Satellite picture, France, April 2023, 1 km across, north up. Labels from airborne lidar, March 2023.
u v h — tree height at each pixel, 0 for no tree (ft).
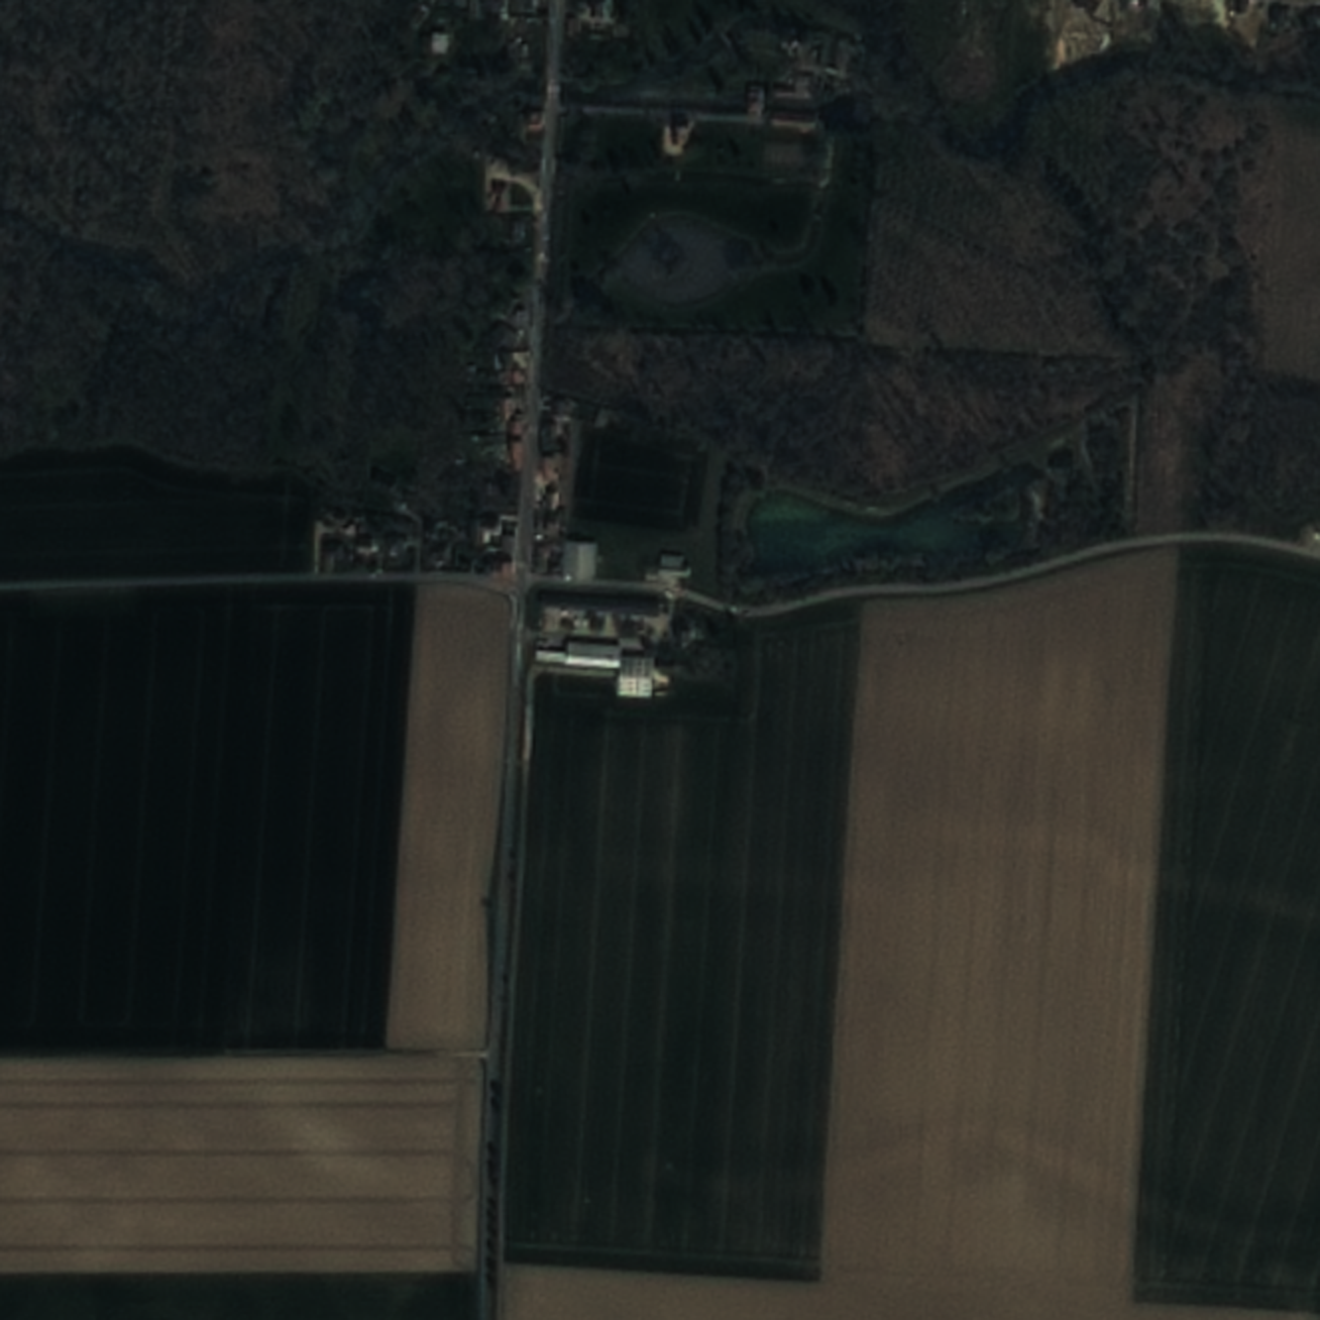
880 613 0
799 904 0
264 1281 0
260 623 0
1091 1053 0
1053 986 0
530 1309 0
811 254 0
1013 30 0
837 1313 0
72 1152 0
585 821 0
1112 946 0
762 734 0
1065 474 0
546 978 0
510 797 0
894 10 78
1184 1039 0
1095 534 22
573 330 19
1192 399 0
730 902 0
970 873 0
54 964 0
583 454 0
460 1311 0
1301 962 0
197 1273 0
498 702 0
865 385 48
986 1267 0
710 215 0
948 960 0
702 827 0
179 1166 0
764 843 0
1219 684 0
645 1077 0
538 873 0
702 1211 0
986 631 0
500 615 0
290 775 0
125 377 65
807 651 0
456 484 37
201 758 0
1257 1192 0
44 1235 0
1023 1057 0
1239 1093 0
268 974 0
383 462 0
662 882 0
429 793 0
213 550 0
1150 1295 0
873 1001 0
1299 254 0
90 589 0
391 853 0
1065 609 0
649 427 102
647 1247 0
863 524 0
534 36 0
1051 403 57
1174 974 0
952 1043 0
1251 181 0
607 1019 0
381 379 105
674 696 0
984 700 0
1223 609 0
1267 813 0
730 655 0
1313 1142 0
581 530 0
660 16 0
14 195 65
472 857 0
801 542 0
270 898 0
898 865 0
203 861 0
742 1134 0
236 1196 0
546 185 0
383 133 69
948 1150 0
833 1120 0
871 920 0
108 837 0
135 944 0
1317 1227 0
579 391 0
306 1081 0
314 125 73
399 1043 0
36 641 0
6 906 0
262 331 72
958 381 63
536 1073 0
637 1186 0
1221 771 0
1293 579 0
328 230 105
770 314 0
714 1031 0
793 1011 0
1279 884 0
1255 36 0
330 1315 0
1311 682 0
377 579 0
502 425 0
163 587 0
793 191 0
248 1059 0
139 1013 0
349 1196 0
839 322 0
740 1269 0
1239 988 0
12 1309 0
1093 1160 0
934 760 0
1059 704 0
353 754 0
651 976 0
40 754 0
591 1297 0
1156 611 0
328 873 0
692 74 72
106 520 0
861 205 0
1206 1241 0
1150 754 0
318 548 0
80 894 0
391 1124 0
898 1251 0
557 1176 0
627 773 0
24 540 0
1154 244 26
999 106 0
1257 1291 0
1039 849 0
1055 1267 0
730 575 27
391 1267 0
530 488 0
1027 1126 0
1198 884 0
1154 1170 0
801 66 60
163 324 75
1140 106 0
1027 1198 0
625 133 0
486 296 71
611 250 0
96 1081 0
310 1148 0
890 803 0
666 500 0
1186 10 0
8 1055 0
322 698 0
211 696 0
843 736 0
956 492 0
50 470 0
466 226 98
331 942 0
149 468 0
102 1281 0
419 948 0
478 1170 0
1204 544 0
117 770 0
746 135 0
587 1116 0
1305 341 0
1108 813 0
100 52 84
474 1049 0
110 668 0
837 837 0
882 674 0
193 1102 0
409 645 0
